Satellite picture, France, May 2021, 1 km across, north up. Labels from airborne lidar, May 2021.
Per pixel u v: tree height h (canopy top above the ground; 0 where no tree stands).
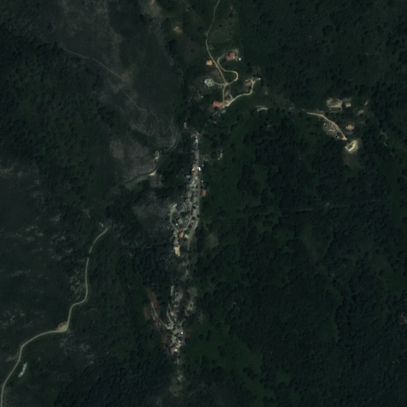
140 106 0
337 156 15
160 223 0
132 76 0
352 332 21
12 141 15
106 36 0
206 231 12
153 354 7
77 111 13
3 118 14
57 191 12
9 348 7
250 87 8
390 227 12
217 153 14
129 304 11
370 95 9
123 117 0
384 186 12
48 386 6
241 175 8
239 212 10
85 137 10
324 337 7
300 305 15
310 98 13
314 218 7
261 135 14
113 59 0
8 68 18
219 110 8
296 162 20
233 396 5
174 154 7
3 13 12
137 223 7
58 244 15
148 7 0
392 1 16
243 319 12
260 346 13
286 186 18
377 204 7
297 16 6
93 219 11
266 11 6
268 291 18
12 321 7
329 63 8
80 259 7
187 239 7
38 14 9
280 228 16
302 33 7
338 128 0
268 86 11
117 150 0
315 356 16
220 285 18
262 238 15
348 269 11
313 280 12
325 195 15
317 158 10
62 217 9
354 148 0
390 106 13
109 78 0
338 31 15
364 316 12
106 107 8
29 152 12
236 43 0
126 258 6
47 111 16
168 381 5
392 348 7
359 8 7
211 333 16
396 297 11
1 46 21
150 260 16
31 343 6
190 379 6
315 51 8
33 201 12
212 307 20
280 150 9
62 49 9
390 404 15
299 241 17
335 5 6
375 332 10
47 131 8
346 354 20
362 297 21
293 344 14
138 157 0
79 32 0
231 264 14
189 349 0
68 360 8
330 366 18
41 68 16
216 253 10
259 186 10
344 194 12
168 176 13
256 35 6
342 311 26
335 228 10
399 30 12
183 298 6
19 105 15
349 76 8
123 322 12
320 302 15
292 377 7
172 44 15
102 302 13
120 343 20
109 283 16
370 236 12
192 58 0
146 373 17
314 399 14
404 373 11
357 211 24
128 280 11
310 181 24
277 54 6
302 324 17
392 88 11
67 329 0
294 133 17
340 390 27
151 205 0
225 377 15
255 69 0
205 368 12
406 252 14
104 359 12
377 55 9
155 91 0
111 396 11
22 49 19
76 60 7
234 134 15
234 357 7
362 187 26
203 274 15
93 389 14
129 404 7
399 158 16
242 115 12
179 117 8
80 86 8
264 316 17
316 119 0
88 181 17
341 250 17
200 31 12
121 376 11
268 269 20
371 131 17
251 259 14
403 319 13
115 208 11
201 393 9
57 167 14
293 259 10
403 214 0
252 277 17
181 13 0
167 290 8
